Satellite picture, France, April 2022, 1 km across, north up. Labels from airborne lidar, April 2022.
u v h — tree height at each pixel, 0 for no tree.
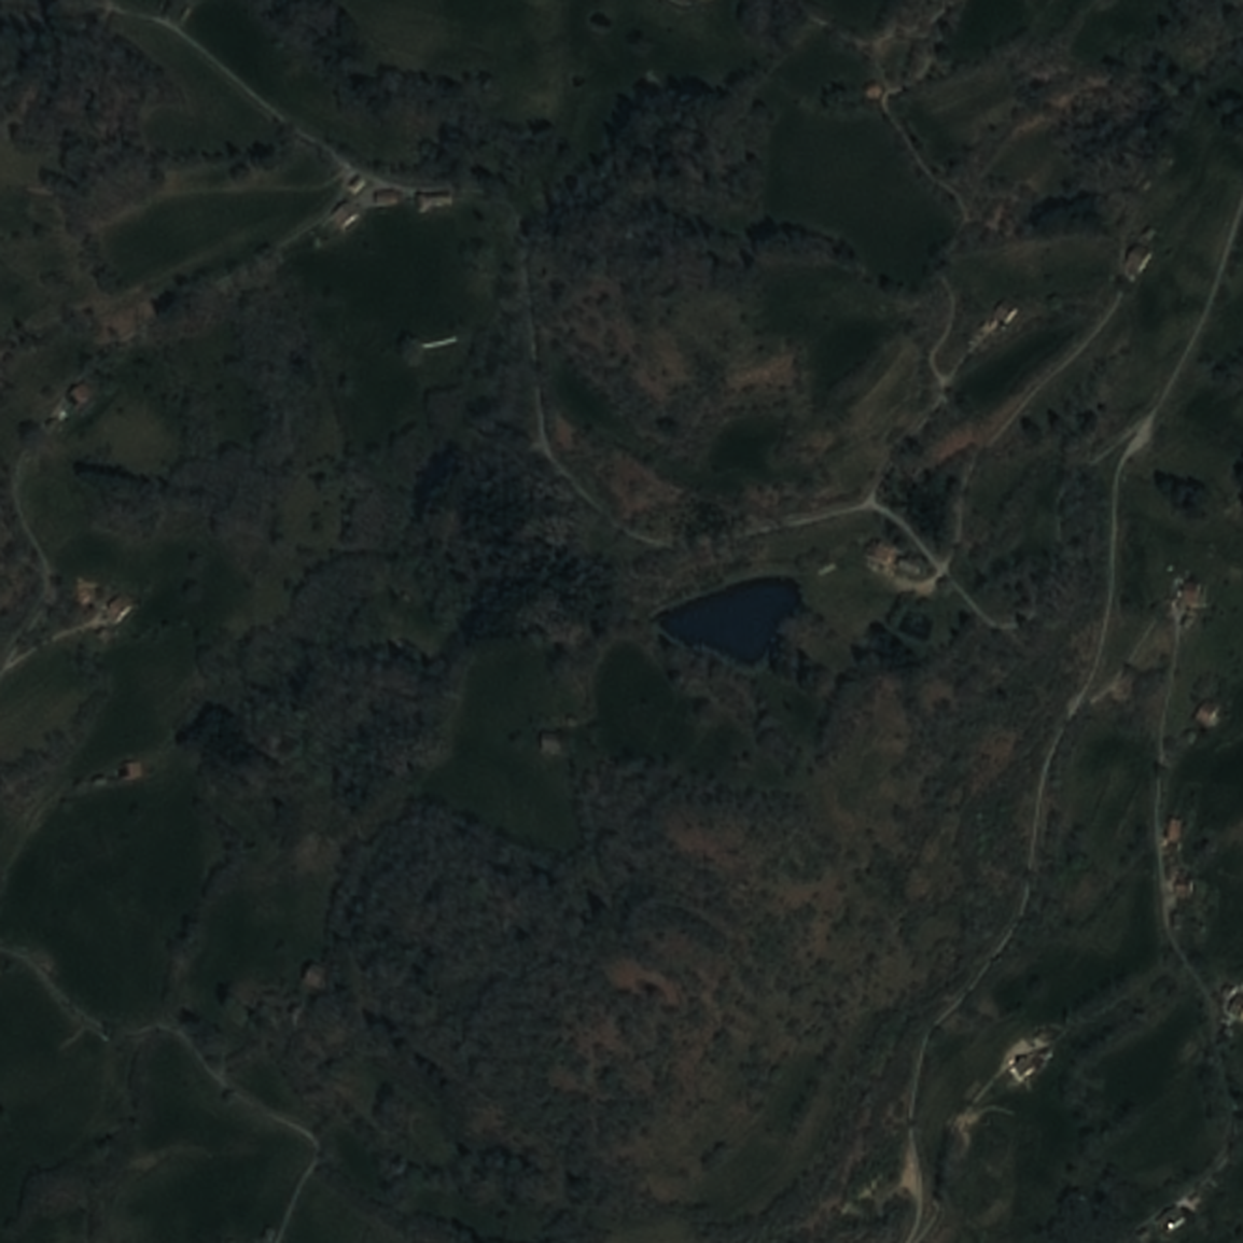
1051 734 7
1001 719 12
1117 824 0
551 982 6
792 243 20
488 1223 0
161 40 0
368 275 0
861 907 0
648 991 0
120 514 21
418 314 0
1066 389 0
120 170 22
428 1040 14
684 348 0
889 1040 12
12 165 0
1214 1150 0
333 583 23
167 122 0
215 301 11
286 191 0
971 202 10
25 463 0
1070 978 0
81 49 20
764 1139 0
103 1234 0
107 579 0
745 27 15
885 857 8
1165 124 26
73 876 0
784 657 21
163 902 0
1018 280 0
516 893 18
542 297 9
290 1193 0
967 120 0
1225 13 18
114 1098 0
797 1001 18
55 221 0
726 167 6
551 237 15
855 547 0
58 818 0
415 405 0
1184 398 0
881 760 0
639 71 0
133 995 0
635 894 9
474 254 21
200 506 20
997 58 15
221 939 0
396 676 20
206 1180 0
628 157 21
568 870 19
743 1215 0
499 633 32
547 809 0
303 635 22
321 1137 10
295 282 14
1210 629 10
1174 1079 0
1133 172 20
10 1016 0
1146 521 0
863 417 0
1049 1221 0
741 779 0
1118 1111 0
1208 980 17
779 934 6
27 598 6
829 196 0
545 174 0
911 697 10
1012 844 8
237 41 0
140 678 0
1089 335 7
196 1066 0
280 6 11
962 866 7
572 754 16
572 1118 7
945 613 0
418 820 15
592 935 6
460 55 0
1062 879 22
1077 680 7
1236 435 0
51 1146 0
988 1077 0
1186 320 0
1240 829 0
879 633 14
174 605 0
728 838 0
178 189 0
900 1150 7
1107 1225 20
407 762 30
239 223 0
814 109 0
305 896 0
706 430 9
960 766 18
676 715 0
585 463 6
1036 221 10
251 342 19
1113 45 0
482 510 26
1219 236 0
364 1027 17
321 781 22
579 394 0
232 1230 0
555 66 0
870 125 0
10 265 0
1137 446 0
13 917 0
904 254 0
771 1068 6
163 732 0
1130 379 0
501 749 0
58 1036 0
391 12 0
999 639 14
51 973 0
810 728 0
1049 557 0
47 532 0
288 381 22
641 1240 0
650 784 12
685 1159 0
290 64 0
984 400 0
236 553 0
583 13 0
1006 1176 0
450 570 15
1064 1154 0
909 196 0
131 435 0
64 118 13
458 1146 0
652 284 6
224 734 25
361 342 0
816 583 0
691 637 0
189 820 0
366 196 0
